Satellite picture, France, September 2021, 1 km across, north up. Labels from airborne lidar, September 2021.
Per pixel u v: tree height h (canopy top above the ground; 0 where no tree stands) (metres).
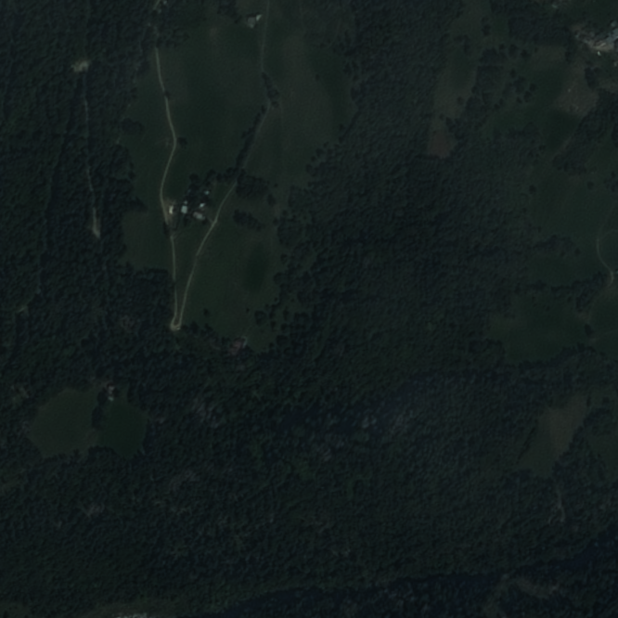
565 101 0
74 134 18
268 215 0
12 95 25
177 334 0
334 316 24
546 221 0
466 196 25
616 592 24
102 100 16
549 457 0
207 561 27
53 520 14
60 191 28
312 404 26
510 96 21
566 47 14
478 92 15
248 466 28
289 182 0
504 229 27
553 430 0
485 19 8
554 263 0
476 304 29
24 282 25
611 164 0
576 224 0
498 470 18
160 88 0
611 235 0
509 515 15
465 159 22
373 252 25
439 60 19
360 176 24
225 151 0
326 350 16
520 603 25
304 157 0
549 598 0
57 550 29
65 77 35
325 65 0
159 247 0
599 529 17
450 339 16
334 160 13
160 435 27
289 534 19
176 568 33
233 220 0
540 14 21
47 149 26
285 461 16
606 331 0
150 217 0
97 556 21
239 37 0
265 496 19
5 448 10
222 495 30
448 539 22
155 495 30
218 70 0
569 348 0
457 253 30
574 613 20
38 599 22
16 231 21
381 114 25
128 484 22
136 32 34
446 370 28
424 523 21
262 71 0
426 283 27
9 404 31
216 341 21
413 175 24
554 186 0
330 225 21
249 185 19
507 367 20
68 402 0
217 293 0
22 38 22
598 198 0
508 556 16
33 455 19
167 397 33
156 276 19
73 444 0
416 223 28
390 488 26
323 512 21
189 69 0
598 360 22
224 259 0
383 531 23
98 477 17
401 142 29
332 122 0
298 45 0
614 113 10
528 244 14
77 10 20
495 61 22
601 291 17
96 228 0
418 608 6
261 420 7
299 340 15
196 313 0
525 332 0
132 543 26
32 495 11
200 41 0
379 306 35
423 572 18
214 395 16
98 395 0
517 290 11
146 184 0
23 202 21
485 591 28
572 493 22
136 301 20
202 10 17
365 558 29
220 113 0
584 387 22
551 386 18
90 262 16
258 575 30
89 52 13
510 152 20
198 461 23
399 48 21
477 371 16
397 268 35
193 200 19
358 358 29
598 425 20
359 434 32
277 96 14
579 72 0
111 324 10
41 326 37
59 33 18
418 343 25
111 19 24
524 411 17
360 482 14
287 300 18
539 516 30
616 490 13
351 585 20
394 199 27
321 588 14
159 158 0
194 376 22
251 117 0
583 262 0
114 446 0
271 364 25
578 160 13
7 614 8
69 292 30
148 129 0
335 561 19
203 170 0
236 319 0
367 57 10
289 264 9
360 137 11
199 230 0
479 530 20
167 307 25
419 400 24
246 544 27
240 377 22
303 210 12
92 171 10
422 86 23
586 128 15
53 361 16
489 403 25
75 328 35
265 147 0
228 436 22
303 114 0
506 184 20
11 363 23
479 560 14
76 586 21
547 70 0
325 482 20
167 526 29
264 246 0
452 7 18
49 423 0
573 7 0
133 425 0
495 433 22
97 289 18
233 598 10
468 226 25
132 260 0
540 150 10
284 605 11
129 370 26
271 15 0
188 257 0
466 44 13
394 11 26
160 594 17
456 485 20
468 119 17
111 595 17
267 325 6
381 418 38
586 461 15
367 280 24
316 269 12
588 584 25
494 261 29
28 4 24
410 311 25
